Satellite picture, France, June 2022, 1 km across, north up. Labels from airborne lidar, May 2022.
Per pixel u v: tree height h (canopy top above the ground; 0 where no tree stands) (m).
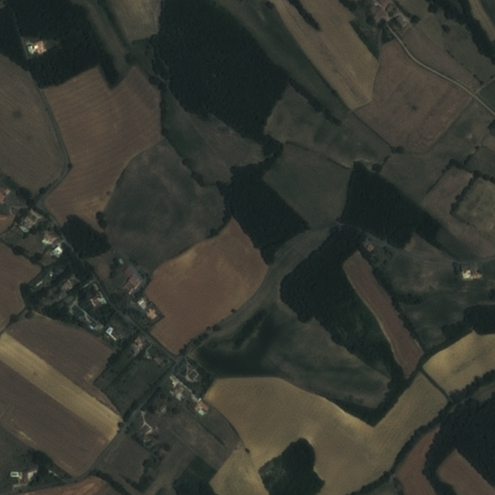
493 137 0
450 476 0
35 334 0
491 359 0
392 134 0
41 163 0
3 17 15
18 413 0
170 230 0
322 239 0
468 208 0
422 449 0
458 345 0
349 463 0
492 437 24
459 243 0
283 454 11
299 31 0
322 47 0
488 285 0
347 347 8
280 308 0
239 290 0
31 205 15
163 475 0
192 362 8
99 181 0
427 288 0
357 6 12
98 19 0
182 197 0
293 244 0
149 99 0
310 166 0
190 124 0
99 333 8
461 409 23
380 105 0
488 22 0
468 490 0
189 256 0
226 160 0
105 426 0
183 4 15
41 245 0
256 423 0
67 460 0
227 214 12
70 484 0
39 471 13
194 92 15
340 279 15
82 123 0
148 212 0
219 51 16
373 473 0
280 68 13
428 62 0
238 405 0
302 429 0
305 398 0
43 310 8
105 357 0
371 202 13
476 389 13
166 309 0
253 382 0
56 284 16
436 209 0
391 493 0
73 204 0
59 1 17
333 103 0
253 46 18
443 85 0
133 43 6
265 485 6
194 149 0
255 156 0
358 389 0
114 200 0
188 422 0
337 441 0
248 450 6
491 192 0
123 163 0
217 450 0
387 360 11
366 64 0
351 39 0
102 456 0
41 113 0
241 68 17
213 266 0
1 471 0
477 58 0
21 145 0
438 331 0
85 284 13
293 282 16
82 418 0
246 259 0
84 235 18
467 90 0
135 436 7
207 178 0
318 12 0
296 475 12
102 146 0
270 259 18
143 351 6
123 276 0
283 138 0
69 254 9
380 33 0
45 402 0
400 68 0
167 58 13
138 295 12
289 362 0
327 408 0
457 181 0
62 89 0
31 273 0
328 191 0
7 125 0
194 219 0
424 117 0
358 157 0
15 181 0
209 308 0
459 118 0
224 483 0
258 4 0
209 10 15
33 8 17
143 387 0
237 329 0
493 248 0
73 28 17
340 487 0
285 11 0
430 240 15
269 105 17
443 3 17
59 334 0
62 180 0
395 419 0
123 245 0
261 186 18
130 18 0
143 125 0
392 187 13
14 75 0
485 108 0
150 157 0
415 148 0
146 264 0
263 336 0
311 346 0
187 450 0
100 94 0
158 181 0
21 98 0
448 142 0
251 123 14
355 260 0
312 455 13
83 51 14
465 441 20
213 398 0
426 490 0
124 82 0
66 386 0
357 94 0
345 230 14
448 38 0
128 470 0
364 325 6
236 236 0
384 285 12
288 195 0
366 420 8
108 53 13
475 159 0
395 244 13
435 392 0
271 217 21
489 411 20
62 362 0
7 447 0
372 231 13
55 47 10
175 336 0
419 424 0
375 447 0
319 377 0
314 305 14
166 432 0
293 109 0
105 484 0
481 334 11
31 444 0
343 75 0
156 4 0
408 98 0
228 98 19
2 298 0
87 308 9
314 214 0
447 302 0
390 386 10
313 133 0
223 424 0
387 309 0
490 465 21
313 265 20
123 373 6
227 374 0
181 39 13
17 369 0
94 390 0
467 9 15
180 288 0
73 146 0
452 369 0
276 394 0
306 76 0
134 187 0
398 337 0
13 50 16
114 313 8
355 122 0
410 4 0
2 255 0
